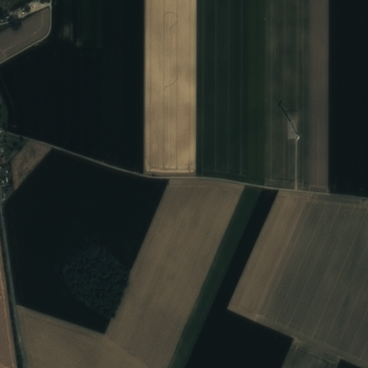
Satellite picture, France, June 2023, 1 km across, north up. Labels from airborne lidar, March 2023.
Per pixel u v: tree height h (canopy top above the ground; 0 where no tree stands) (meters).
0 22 0
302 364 0
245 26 0
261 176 0
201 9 0
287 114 0
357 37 0
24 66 0
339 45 0
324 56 0
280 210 0
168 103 0
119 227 0
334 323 0
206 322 0
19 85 0
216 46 0
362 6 0
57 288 0
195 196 0
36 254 0
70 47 0
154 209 0
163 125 0
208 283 0
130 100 0
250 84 0
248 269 0
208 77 0
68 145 0
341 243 0
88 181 0
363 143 0
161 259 0
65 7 0
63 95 0
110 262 27
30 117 0
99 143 0
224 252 0
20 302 0
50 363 0
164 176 0
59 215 0
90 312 0
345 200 0
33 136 0
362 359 0
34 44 0
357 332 0
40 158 0
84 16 0
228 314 0
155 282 0
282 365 0
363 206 0
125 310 0
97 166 0
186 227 0
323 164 0
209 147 0
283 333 0
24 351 0
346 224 0
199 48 0
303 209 0
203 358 0
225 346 0
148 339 0
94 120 0
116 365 0
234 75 0
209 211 0
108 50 0
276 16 0
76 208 0
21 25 0
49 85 0
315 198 0
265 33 0
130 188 0
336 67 0
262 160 0
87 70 0
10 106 0
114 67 0
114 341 0
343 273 0
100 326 0
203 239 0
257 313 0
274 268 0
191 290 0
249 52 0
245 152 0
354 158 0
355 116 0
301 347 0
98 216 0
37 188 0
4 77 0
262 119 0
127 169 0
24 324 0
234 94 0
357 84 0
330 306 0
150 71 0
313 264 0
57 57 0
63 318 0
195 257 0
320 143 0
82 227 0
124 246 0
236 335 0
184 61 0
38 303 0
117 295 17
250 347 0
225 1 0
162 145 0
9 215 0
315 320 0
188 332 0
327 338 0
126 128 0
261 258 0
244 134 0
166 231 0
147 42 0
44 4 0
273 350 0
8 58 0
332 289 0
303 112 0
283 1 0
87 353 0
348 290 0
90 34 0
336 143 0
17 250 0
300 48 0
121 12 0
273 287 0
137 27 0
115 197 0
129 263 0
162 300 0
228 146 0
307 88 0
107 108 0
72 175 0
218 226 0
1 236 10
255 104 0
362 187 0
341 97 0
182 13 0
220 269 0
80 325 0
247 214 0
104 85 0
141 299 0
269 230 0
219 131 0
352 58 0
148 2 0
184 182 0
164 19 0
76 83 0
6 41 0
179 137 0
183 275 0
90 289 26
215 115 0
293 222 0
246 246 0
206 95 0
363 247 0
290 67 0
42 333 0
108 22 0
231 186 0
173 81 0
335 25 0
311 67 0
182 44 0
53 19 0
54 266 0
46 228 0
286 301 0
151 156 0
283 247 0
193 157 0
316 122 0
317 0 0
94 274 27
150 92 0
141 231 0
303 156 0
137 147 0
